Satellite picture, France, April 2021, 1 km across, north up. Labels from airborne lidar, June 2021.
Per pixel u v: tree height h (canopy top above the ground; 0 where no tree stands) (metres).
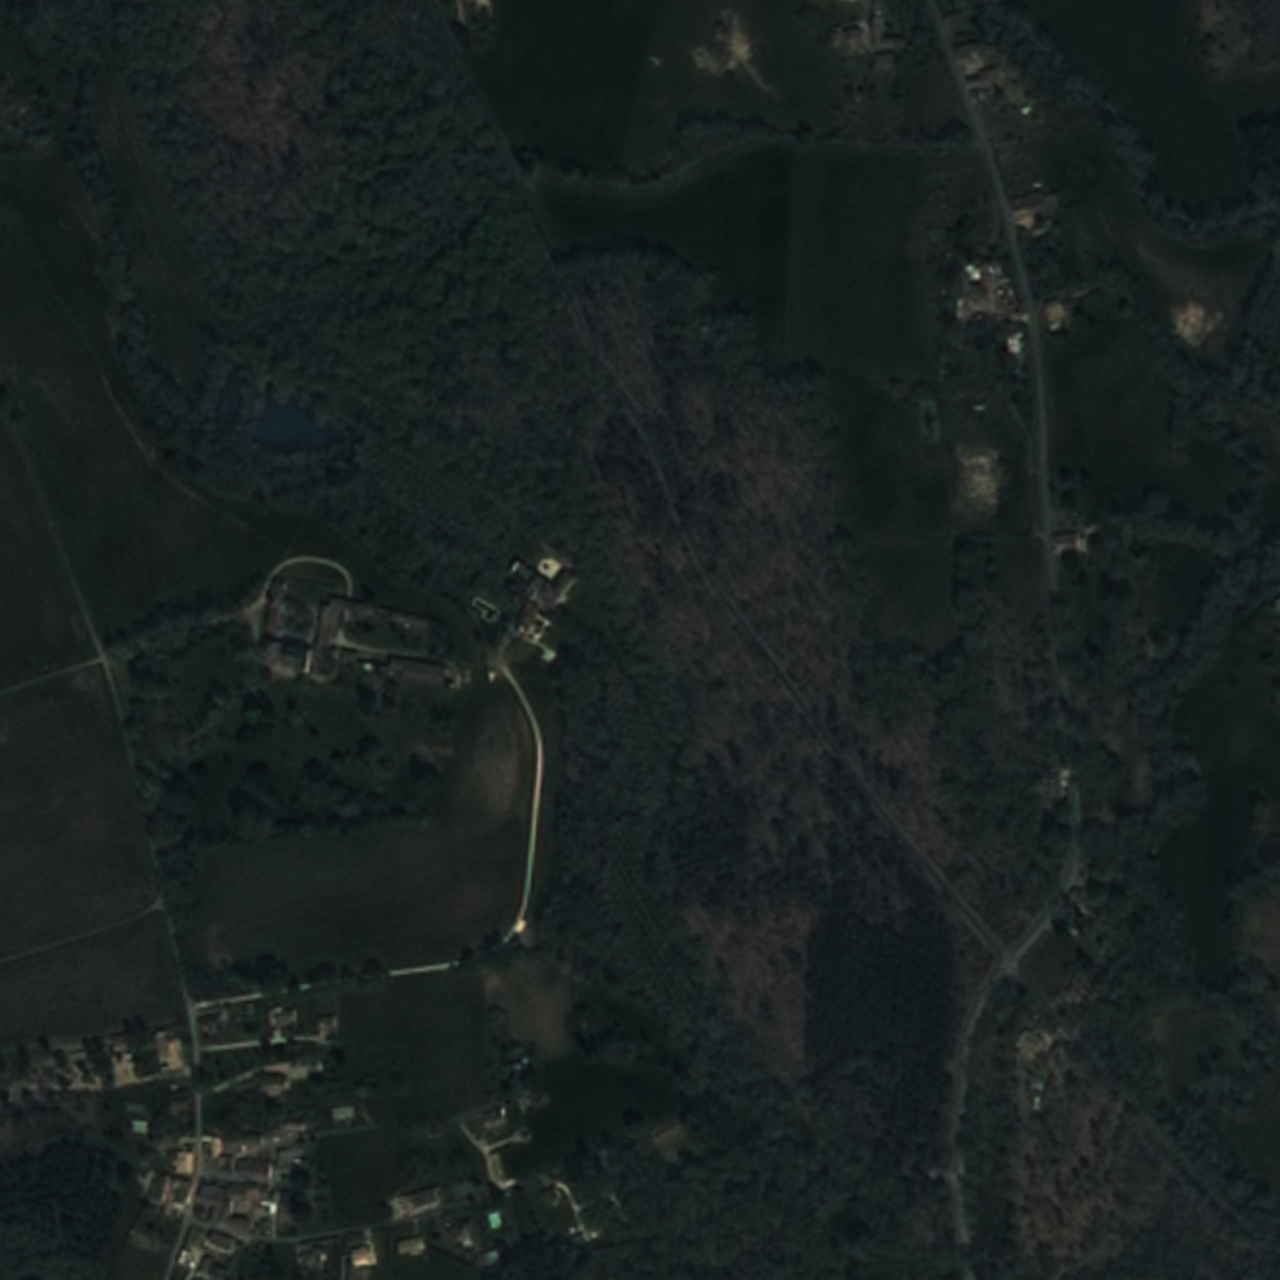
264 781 10
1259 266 0
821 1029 10
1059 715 16
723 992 17
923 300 0
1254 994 9
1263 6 14
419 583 20
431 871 0
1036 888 18
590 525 12
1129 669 14
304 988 13
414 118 20
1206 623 15
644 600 15
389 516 20
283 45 14
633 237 0
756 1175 16
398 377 21
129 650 16
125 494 0
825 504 15
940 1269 16
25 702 0
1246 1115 17
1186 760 13
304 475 14
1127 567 17
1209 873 0
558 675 13
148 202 0
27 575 0
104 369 0
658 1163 17
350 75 10
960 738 15
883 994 10
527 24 0
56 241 0
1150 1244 9
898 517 0
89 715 0
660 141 0
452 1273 0
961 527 0
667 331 16
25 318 0
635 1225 25
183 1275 0
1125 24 0
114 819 0
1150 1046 15
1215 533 19
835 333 0
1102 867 18
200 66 7
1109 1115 10
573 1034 0
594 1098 0
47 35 20
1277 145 17
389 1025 0
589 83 0
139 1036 13
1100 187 0
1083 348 0
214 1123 0
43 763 0
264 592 7
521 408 16
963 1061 15
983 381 0
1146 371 0
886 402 0
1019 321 15
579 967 19
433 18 14
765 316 0
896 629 0
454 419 19
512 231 19
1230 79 0
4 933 0
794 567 14
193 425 26
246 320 19
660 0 0
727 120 13
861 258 0
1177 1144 16
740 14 0
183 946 12
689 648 16
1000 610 9
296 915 0
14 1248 10
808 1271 18
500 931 0
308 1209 18
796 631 9
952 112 0
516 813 0
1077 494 7
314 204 13
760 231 0
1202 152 0
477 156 18
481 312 20
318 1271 7
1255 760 0
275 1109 14
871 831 17
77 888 0
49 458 0
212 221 22
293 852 0
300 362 24
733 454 7
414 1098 0
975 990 11
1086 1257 10
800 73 0
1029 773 13
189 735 12
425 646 6
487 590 13
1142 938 16
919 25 6
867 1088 7
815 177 0
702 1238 18
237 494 15
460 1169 14
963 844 10
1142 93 0
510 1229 8
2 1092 0
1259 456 11
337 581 0
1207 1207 21
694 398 13
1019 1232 14
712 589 10
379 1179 0
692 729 19
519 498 21
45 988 0
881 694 15
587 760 26
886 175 0
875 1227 14
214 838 11
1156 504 19
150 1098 0
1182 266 0
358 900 0
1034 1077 11
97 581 0
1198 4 0
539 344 18
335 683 6
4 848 0
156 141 8
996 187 0
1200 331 0
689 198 0
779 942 12
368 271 11
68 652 0
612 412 14
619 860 32
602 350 13
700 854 23
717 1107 16
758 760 15
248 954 0
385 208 22
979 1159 10
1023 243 10
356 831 16
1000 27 19
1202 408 19
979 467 0
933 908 13
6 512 0
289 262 15
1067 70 12
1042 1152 8
